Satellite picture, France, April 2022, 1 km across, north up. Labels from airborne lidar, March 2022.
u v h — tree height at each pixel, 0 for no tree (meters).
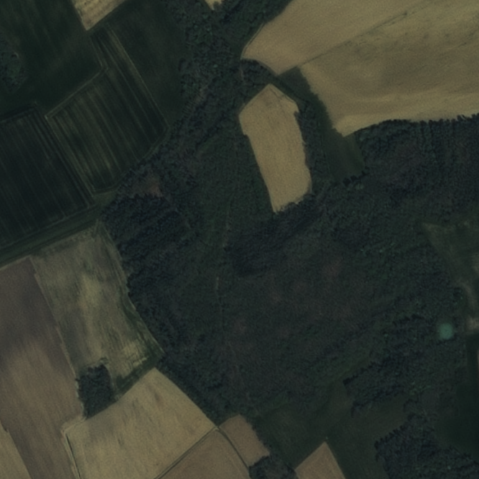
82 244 0
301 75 0
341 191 21
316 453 0
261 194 21
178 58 0
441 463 17
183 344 26
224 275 16
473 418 0
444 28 0
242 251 19
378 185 17
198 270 22
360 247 19
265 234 18
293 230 19
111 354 0
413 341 21
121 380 0
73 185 0
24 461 0
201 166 19
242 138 15
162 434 0
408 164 23
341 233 18
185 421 0
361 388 14
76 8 0
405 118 0
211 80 19
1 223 0
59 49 0
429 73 0
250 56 0
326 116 0
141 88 0
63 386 0
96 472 0
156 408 0
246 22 24
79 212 0
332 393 0
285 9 18
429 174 30
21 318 0
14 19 0
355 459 0
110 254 0
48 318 0
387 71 0
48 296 0
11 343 0
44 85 0
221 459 0
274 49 0
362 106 0
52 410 0
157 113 0
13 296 0
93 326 0
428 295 20
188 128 20
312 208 17
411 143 24
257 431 15
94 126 0
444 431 0
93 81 0
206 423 0
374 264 16
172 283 29
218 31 22
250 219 15
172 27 0
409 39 0
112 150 0
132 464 0
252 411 21
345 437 0
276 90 0
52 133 0
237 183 14
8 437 0
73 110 0
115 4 0
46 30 0
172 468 0
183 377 16
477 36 0
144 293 26
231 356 21
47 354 0
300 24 0
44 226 0
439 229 0
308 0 0
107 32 0
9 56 16
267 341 20
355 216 25
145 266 31
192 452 0
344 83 0
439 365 23
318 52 0
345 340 20
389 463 21
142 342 0
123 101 0
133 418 0
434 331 24
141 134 0
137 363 0
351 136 0
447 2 0
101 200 0
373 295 19
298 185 0
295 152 0
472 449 0
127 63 0
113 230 18
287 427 0
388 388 22
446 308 24
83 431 0
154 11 0
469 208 28
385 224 21
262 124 0
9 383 0
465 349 17
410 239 20
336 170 0
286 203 0
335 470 0
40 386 0
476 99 0
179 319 28
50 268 0
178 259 25
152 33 0
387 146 27
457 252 0
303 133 17
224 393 24
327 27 0
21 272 0
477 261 0
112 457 0
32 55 0
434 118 0
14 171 0
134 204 22
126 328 0
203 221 28
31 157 0
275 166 0
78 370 0
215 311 20
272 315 17
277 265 18
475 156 28
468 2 0
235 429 0
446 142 25
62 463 0
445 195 29
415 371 22
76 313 0
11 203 0
